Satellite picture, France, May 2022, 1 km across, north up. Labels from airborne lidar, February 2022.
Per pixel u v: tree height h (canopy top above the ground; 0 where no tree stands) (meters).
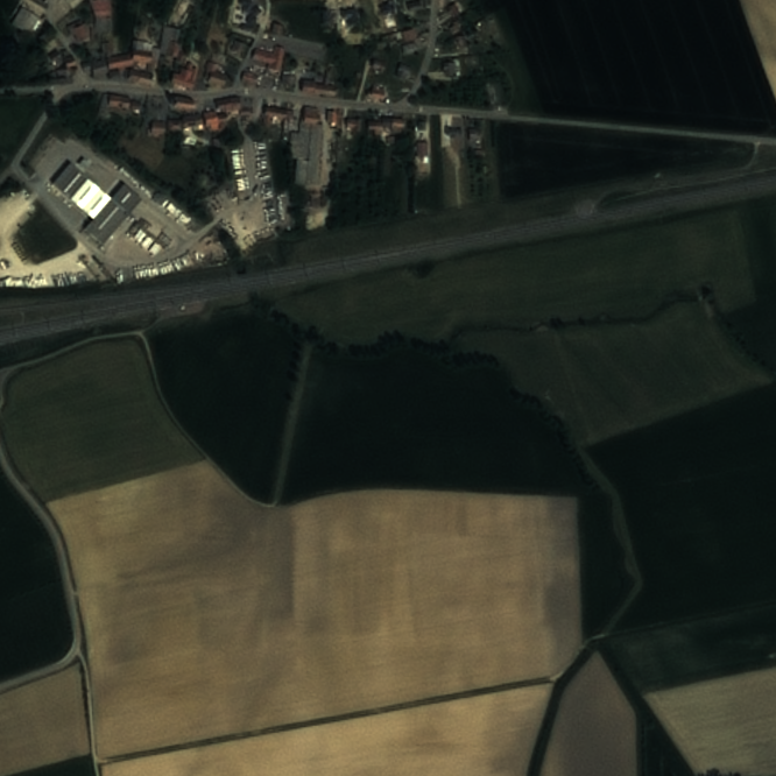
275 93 0
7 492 0
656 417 0
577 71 0
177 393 0
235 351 0
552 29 0
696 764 0
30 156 0
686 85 0
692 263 0
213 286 0
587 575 0
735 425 0
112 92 0
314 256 0
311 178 0
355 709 0
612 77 0
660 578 0
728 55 0
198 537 0
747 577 0
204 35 0
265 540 0
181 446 0
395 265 0
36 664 0
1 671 0
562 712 0
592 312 0
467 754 0
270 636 0
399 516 0
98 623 0
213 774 0
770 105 0
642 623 0
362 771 0
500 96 0
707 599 0
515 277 0
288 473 0
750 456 0
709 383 0
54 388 0
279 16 0
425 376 0
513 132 0
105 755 0
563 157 0
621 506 0
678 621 0
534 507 0
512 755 0
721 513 0
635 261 0
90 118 0
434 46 0
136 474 0
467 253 0
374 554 0
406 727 0
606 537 0
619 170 0
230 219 0
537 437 0
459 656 0
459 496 0
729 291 0
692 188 0
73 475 0
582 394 0
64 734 0
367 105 0
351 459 0
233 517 0
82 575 0
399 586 0
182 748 0
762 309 0
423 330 0
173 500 0
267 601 0
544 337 0
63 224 0
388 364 0
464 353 0
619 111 0
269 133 0
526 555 0
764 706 0
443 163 0
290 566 0
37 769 0
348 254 0
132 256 0
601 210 0
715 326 0
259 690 0
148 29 0
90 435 0
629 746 0
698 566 0
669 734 0
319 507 0
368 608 0
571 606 0
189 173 0
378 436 0
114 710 0
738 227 0
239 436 0
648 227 0
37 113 0
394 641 0
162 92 0
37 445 0
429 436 0
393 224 0
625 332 0
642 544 0
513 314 0
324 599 0
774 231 0
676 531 0
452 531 0
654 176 0
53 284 0
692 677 0
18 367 0
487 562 0
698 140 0
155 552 0
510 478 0
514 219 0
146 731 0
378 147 6
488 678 0
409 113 0
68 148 0
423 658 0
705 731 0
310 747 0
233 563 0
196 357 0
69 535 0
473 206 0
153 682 0
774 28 0
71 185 0
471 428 0
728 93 0
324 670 0
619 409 0
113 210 0
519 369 0
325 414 0
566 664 0
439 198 0
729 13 0
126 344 0
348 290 0
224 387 0
